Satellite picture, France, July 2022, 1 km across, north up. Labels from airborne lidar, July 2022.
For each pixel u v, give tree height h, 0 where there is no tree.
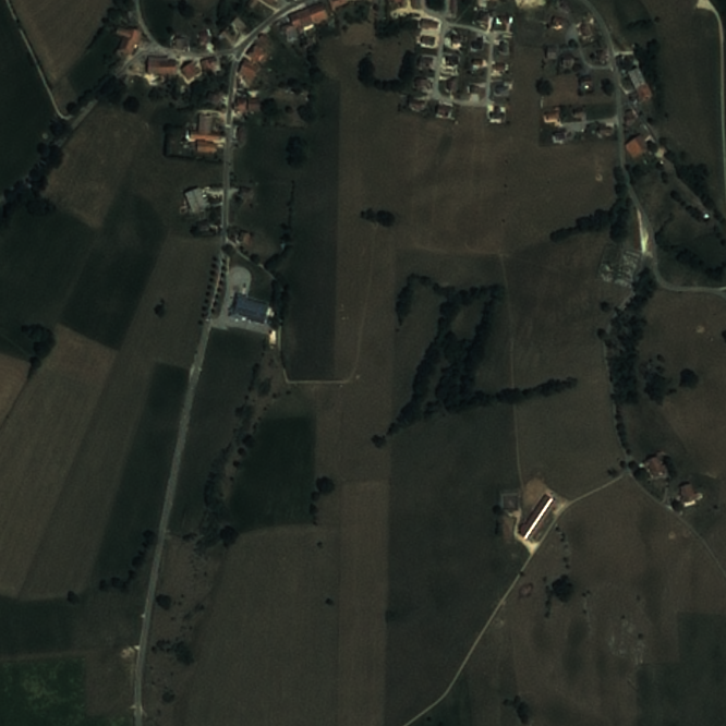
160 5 0
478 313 0
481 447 0
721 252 0
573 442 0
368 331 0
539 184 0
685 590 0
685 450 0
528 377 0
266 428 0
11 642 0
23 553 0
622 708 0
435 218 0
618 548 0
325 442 0
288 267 0
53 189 0
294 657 0
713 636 0
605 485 0
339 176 0
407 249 0
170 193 0
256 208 0
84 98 8
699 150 0
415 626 0
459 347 9
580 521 0
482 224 0
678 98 0
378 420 0
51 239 0
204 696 0
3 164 0
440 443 0
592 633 0
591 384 0
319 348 0
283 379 0
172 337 0
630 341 17
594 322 0
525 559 0
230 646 0
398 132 0
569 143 0
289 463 0
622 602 0
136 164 0
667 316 0
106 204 0
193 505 0
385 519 0
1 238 0
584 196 0
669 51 0
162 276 0
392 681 0
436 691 0
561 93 0
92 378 0
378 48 0
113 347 0
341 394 0
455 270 0
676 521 0
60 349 0
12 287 0
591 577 0
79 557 0
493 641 0
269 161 0
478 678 0
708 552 0
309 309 0
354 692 0
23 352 0
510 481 0
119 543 0
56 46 0
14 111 0
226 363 0
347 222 0
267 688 0
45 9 0
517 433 0
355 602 0
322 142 0
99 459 0
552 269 0
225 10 9
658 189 0
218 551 0
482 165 0
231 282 0
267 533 0
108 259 0
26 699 0
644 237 0
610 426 0
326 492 18
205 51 0
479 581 0
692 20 0
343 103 0
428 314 0
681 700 0
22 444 0
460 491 0
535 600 0
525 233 0
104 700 0
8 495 0
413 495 0
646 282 18
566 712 0
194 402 0
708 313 0
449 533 0
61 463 0
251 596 0
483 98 0
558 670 0
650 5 0
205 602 0
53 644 0
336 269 0
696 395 0
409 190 0
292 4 0
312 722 0
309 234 0
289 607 0
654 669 0
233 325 0
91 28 0
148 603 0
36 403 0
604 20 0
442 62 0
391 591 0
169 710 0
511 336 0
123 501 0
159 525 0
